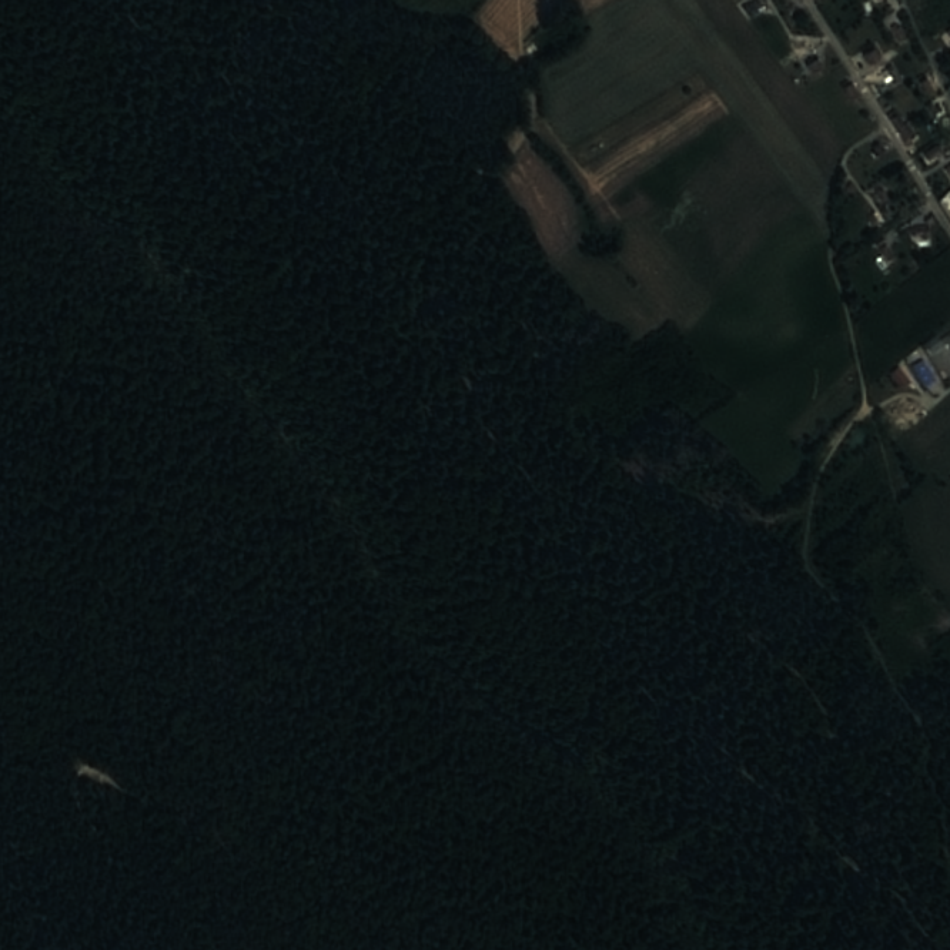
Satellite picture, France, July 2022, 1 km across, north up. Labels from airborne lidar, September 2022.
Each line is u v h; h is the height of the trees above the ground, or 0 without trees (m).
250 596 20
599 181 0
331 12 31
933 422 0
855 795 24
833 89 0
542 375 28
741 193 0
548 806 17
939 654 7
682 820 42
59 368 28
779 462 0
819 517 8
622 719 26
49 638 16
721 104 0
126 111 21
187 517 21
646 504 29
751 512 13
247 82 10
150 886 21
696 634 8
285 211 31
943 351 0
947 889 24
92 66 20
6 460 25
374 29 33
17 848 24
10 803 24
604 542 26
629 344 13
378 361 34
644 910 21
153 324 24
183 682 17
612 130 0
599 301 0
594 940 13
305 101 23
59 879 21
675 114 0
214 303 29
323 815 26
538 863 11
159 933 30
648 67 0
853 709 34
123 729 27
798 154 0
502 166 21
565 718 36
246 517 22
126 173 31
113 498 28
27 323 20
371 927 16
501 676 28
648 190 0
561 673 24
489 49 26
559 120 0
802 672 19
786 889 20
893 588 8
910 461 10
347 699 24
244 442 21
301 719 22
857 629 12
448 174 24
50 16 26
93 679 20
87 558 29
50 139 30
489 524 25
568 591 29
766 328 0
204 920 23
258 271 25
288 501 18
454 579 29
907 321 0
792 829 45
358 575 11
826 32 0
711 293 0
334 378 29
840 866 14
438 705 21
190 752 19
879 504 7
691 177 0
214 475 22
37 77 32
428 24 25
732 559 33
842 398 0
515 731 19
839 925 10
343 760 13
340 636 14
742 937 37
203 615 16
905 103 0
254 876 16
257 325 31
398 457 32
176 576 23
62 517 18
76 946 10
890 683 32
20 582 16
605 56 0
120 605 22
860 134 0
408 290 32
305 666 16
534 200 0
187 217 27
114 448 27
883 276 0
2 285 22
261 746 15
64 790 17
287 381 32
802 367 0
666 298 0
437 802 14
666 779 39
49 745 17
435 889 24
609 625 30
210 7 24
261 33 36
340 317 31
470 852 10
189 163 28
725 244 0
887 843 22
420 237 29
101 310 21
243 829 18
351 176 18
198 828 18
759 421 0
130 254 15
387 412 14
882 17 10
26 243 18
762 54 0
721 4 0
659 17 0
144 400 21
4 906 23
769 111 0
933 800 21
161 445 14
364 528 22
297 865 17
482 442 22
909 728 24
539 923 17
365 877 16
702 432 12
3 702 19
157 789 18
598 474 28
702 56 0
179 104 22
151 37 11
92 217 10
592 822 10
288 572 20
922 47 11
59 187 13
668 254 0
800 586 36
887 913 18
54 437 24
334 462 33
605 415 9
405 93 28
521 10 0
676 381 7
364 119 25
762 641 36
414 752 19
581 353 32
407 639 32
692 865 34
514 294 31
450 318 25
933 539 0
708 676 35
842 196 11
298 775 14
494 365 25
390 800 12
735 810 38
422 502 29
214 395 22
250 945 15
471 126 31
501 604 31
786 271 0
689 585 23
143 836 18
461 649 31
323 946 12
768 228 0
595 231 6
